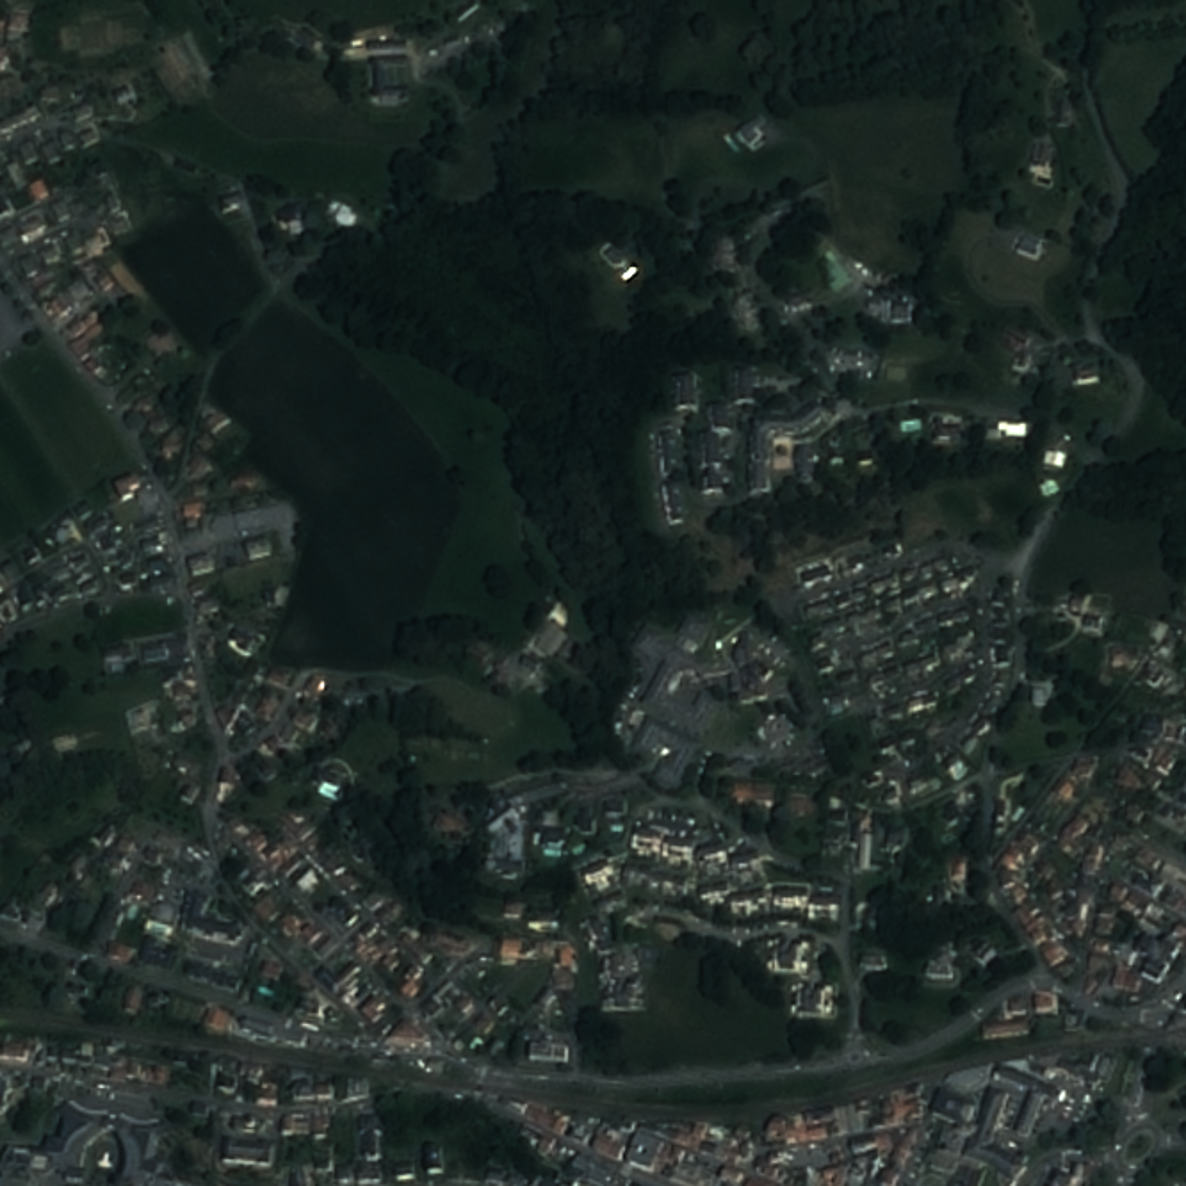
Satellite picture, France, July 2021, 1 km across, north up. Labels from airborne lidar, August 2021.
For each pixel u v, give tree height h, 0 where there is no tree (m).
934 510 0
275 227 10
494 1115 8
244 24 16
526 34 21
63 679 16
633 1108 0
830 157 0
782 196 12
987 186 23
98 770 13
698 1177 0
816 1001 0
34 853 0
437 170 23
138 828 0
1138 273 29
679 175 0
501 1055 9
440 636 23
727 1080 0
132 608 0
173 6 0
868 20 20
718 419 0
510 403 21
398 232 24
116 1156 0
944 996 0
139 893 0
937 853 10
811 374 8
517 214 20
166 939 8
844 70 8
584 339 18
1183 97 20
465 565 0
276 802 0
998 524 0
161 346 0
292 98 0
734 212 13
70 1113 0
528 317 8
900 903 21
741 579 0
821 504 17
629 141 0
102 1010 14
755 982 19
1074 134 13
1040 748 0
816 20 13
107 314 10
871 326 16
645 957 0
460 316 7
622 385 22
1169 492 17
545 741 0
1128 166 7
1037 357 0
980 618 6
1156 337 28
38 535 10
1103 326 7
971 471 19
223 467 6
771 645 0
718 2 0
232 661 10
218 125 0
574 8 20
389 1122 21
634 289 7
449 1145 8
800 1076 0
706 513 0
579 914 0
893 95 20
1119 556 0
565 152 0
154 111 0
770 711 19
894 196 0
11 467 0
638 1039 0
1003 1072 0
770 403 11
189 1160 11
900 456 23
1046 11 0
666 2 19
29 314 8
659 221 10
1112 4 15
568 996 5
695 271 22
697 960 0
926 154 0
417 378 0
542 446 10
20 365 0
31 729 21
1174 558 17
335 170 0
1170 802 0
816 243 19
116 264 0
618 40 23
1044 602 12
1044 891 7
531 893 14
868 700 0
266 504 6
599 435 20
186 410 13
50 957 12
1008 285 0
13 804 15
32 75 6
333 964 0
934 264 16
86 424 0
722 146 0
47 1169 0
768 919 10
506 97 20
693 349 12
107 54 0
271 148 0
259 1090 7
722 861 0
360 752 0
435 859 15
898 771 0
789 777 10
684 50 0
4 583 0
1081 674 11
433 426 0
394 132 0
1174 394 20
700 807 0
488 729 0
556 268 18
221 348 16
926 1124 0
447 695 0
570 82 17
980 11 10
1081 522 0
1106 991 0
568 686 12
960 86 21
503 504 0
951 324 16
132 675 6
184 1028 6
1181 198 21
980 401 0
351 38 14
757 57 18
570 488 21
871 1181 0
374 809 23
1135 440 0
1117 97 0
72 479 0
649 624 17
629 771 11
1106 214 20
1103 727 7
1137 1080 0
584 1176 0
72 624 0
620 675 22
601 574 19
